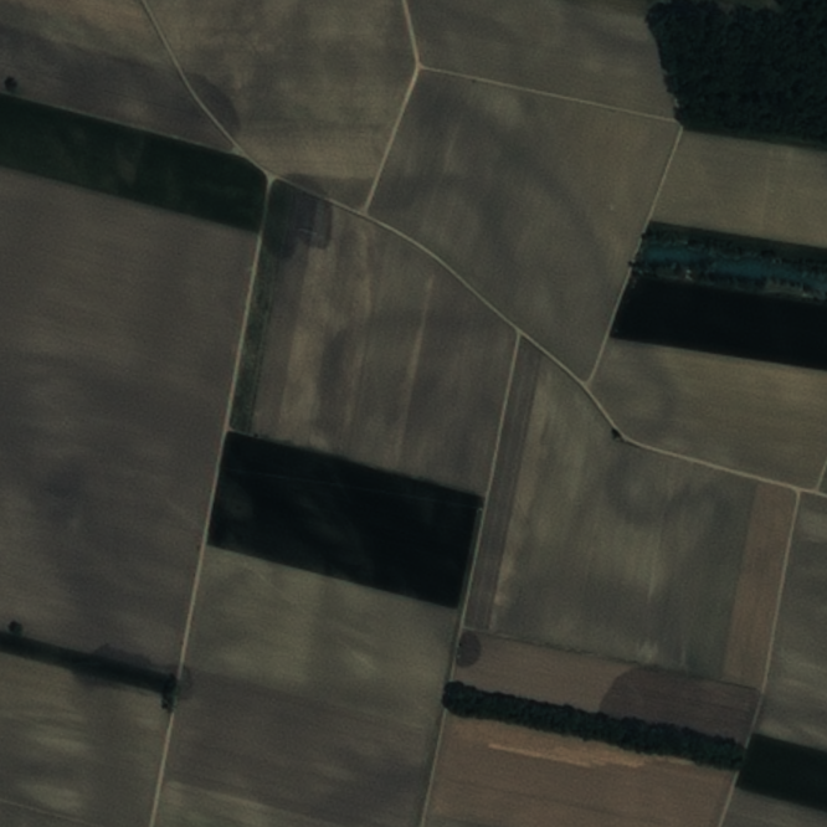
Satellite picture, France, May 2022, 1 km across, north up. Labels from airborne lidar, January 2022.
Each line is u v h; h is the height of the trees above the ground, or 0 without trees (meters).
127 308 0
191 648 0
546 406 0
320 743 0
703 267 10
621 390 0
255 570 0
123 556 0
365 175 0
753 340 0
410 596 0
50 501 0
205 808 0
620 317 0
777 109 23
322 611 0
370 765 0
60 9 0
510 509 0
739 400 0
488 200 0
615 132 0
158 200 0
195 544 0
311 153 0
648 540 0
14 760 0
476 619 0
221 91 0
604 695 0
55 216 0
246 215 0
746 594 0
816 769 0
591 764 0
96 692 0
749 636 0
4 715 0
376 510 0
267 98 0
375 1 0
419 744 0
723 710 0
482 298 0
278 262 0
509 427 0
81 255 0
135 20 0
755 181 0
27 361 0
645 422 0
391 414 0
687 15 35
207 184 0
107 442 0
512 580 0
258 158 0
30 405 0
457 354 0
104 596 0
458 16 0
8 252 0
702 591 0
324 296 0
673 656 0
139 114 0
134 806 0
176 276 0
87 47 0
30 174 0
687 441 0
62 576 0
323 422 0
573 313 0
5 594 0
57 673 0
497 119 0
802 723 0
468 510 0
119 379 0
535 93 0
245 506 0
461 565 0
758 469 0
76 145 0
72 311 0
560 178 0
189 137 0
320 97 0
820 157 0
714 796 0
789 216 0
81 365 0
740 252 8
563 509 0
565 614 0
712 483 0
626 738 10
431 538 0
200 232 0
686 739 21
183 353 0
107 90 0
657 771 0
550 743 0
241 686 0
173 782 0
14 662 0
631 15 0
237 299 0
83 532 0
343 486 0
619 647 0
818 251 0
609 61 0
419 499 0
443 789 0
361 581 0
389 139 0
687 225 0
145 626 0
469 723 0
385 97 0
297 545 0
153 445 0
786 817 0
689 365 0
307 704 0
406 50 0
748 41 23
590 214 0
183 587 0
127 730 0
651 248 0
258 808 0
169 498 0
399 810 0
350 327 0
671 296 0
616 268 0
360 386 0
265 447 0
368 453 0
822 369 0
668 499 0
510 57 0
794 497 0
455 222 0
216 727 0
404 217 0
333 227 0
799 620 0
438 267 0
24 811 0
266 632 0
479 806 0
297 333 0
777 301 0
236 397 0
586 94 0
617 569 0
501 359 0
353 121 0
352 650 0
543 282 0
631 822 0
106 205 0
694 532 0
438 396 0
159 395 0
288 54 0
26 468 0
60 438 0
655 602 0
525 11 0
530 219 0
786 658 0
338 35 0
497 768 0
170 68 0
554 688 0
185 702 0
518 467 0
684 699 0
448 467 0
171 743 0
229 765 0
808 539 0
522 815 0
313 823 0
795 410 0
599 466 0
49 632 0
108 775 0
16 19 0
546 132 0
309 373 0
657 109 0
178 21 0
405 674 0
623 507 0
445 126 0
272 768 0
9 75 0
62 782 0
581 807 0
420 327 0
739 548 0
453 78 0
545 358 0
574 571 0
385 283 0
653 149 0
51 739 0
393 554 0
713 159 0
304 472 0
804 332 0
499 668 0
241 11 0
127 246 0
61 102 0
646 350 0
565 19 0
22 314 0
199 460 0
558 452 0
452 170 0
